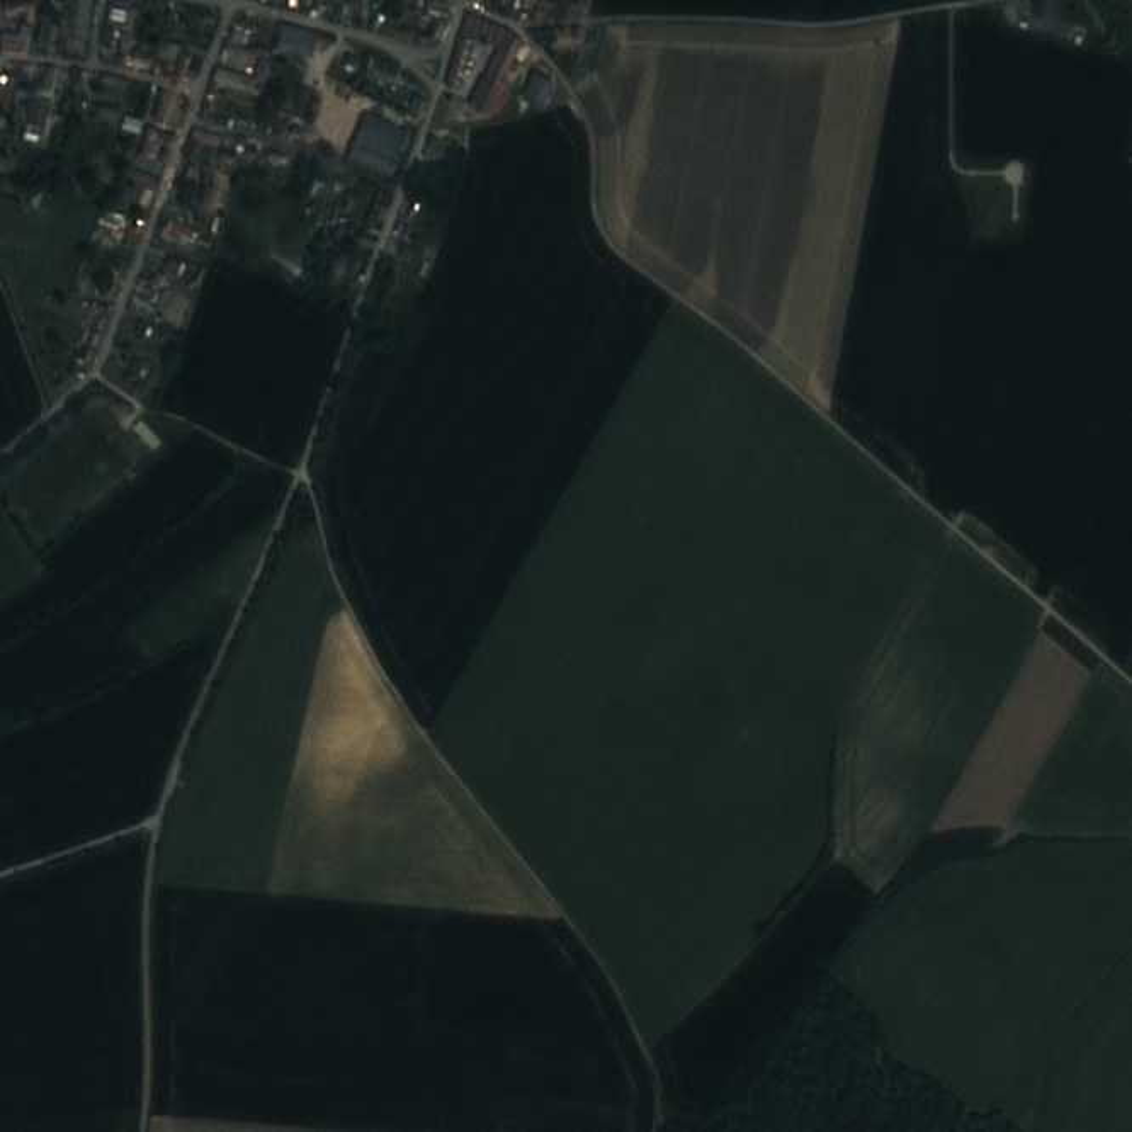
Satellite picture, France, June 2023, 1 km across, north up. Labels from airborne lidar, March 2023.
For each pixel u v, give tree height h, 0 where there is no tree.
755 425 0
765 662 0
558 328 0
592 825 0
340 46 0
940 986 0
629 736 0
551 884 0
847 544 0
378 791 0
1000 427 0
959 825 0
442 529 0
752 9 0
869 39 0
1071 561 0
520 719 0
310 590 0
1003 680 0
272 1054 0
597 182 0
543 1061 0
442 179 12
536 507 0
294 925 0
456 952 0
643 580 0
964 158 0
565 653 0
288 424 0
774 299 0
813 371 0
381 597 0
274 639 0
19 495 0
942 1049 0
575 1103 0
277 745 0
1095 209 0
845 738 0
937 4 0
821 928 0
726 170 0
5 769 0
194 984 0
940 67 0
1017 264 0
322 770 0
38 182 7
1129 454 0
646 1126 0
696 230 0
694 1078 0
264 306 0
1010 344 0
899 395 0
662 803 0
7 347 0
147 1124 0
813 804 0
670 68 0
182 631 0
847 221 0
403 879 0
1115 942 0
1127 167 0
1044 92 0
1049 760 0
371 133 0
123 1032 0
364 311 12
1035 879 0
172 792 0
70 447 0
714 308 0
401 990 0
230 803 0
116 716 0
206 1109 0
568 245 0
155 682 0
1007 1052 0
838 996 15
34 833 0
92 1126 0
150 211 0
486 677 0
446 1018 0
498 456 0
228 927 0
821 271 0
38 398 0
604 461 0
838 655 0
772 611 0
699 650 0
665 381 0
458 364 0
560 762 0
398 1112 0
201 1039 0
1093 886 0
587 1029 0
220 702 0
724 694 0
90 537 0
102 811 0
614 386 0
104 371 0
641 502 0
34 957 0
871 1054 9
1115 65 0
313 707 0
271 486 0
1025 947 0
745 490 0
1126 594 0
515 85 0
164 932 0
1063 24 0
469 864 0
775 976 0
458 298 0
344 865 0
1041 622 0
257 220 0
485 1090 0
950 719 0
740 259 0
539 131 0
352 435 0
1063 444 0
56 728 0
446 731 0
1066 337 0
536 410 0
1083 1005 0
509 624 0
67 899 0
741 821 0
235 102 0
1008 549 0
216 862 0
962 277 0
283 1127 0
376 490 0
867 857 0
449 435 0
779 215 0
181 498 0
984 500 0
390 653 0
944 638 0
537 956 0
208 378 0
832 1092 23
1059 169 0
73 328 0
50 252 0
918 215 0
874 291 0
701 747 0
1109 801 0
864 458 0
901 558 0
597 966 0
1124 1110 0
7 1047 0
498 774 0
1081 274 0
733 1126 27
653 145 0
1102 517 0
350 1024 0
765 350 0
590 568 0
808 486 0
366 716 0
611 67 0
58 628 0
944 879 0
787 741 0
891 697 0
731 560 0
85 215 0
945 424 0
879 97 0
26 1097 0
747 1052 0
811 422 0
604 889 0
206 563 0
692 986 0
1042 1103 0
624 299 0
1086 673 0
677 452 0
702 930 0
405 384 0
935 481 0
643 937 0
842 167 0
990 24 0
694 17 0
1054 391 0
